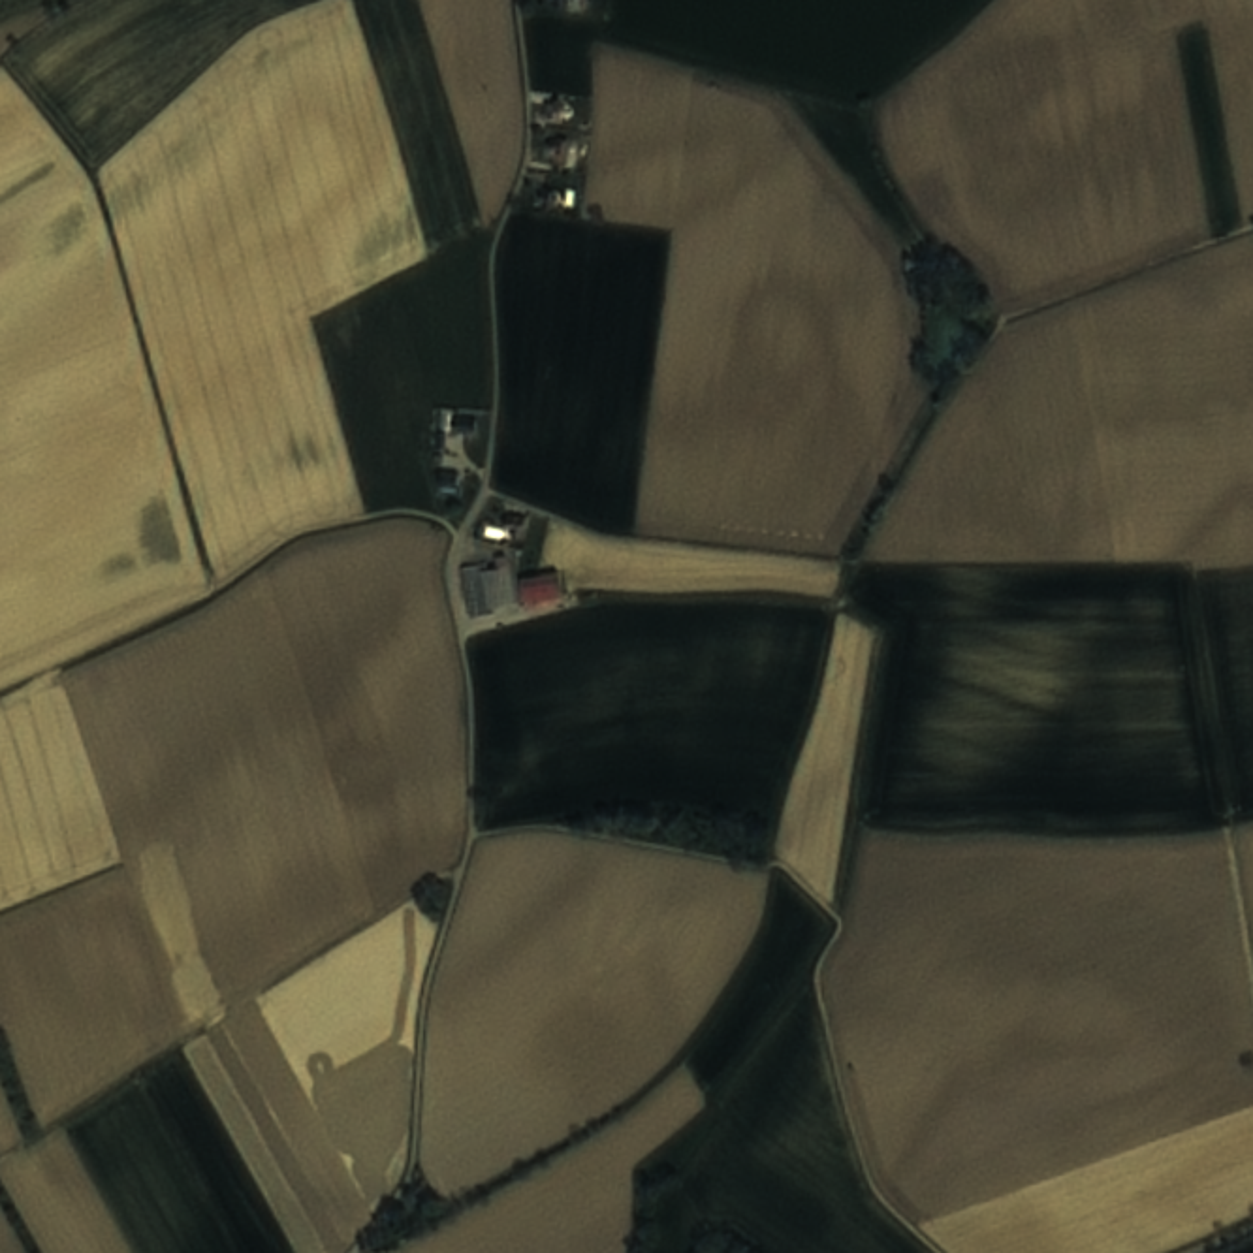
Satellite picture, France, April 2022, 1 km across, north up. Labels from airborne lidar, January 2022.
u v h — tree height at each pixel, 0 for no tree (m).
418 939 0
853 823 0
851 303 0
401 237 0
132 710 0
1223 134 0
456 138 0
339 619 0
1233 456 0
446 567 0
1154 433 0
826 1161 0
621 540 0
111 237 0
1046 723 0
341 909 0
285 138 0
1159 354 0
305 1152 0
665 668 0
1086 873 0
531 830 0
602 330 0
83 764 0
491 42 0
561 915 0
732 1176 0
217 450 0
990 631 0
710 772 0
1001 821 0
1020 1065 0
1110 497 0
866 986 0
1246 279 0
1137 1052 0
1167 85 0
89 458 0
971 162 0
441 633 0
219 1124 0
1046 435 0
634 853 0
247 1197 0
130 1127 0
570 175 7
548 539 0
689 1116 0
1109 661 0
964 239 0
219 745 0
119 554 0
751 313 0
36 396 0
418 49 0
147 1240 0
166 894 16
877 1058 0
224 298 0
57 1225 0
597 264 0
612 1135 0
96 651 0
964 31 0
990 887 0
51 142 0
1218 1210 0
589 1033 0
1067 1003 0
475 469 0
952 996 0
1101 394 0
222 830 0
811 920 0
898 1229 0
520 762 0
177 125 0
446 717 0
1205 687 0
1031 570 0
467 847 0
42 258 0
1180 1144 0
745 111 0
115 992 0
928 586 0
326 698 0
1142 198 0
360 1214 0
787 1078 0
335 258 0
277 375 0
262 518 0
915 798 0
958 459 0
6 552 0
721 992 0
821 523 0
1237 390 0
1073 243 0
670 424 0
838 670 0
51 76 0
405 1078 0
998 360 0
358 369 0
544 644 0
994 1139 0
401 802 0
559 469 0
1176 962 0
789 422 0
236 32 0
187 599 0
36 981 0
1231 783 0
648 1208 16
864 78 0
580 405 0
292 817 0
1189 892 0
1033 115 0
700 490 0
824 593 0
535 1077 0
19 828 0
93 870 0
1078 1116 0
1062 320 0
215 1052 0
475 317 0
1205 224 0
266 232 0
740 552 0
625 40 0
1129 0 0
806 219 0
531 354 0
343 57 0
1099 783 0
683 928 0
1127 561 0
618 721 0
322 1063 0
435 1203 17
